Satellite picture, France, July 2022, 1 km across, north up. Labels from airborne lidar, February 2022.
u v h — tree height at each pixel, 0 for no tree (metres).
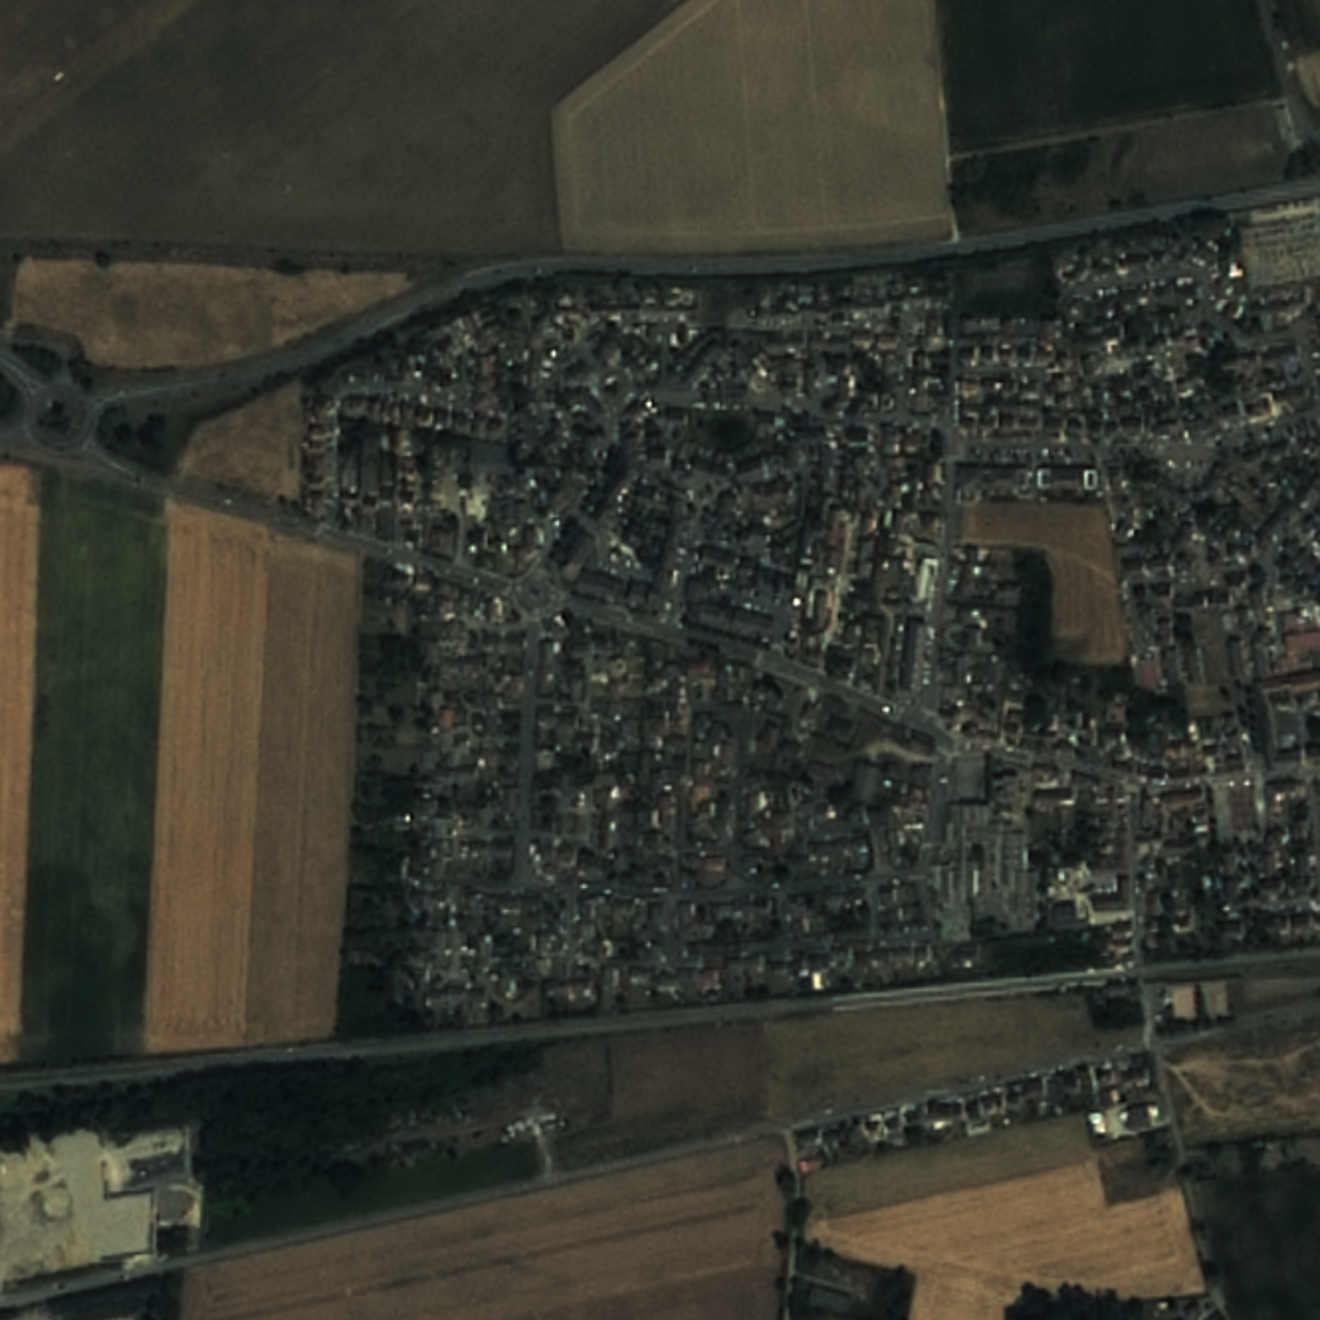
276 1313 0
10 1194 0
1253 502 16
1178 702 9
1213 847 9
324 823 0
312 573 0
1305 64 0
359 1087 6
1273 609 0
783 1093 0
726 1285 0
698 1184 0
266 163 0
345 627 0
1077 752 7
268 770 0
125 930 0
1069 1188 0
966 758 0
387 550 0
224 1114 8
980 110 0
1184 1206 0
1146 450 0
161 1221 9
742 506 0
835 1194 0
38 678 0
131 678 0
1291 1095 0
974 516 0
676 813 0
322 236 0
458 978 0
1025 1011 0
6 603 0
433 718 9
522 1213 0
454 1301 0
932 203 0
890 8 0
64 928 0
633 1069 0
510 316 7
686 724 0
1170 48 0
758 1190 0
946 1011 0
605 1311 0
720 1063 0
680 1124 0
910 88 0
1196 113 0
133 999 0
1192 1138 0
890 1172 0
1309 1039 0
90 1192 0
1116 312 6
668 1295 0
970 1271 0
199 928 0
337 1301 0
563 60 0
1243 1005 0
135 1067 0
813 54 0
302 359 0
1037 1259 0
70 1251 0
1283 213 0
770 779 6
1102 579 0
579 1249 0
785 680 0
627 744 0
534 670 0
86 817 0
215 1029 0
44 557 0
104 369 0
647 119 0
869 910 11
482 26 0
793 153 0
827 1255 15
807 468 0
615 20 0
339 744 0
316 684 0
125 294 0
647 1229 0
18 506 0
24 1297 0
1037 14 0
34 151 0
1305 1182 0
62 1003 0
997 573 0
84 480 0
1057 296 9
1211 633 0
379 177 0
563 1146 0
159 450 20
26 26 0
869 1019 0
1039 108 0
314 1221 0
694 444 0
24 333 0
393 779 7
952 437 0
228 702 0
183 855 0
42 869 0
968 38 0
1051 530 0
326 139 0
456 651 0
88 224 0
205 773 0
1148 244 0
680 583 0
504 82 0
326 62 0
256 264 0
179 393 0
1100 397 6
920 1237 0
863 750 0
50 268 0
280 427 0
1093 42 0
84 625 0
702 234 0
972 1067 0
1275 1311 0
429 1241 0
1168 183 0
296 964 0
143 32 0
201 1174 15
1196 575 0
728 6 0
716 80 0
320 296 0
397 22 0
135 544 0
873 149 0
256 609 0
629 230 0
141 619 0
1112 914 0
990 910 0
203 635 0
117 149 0
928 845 0
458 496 0
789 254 0
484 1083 14
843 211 0
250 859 0
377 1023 5
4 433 0
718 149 0
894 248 0
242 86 0
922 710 0
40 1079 0
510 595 0
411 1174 0
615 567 0
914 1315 0
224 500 0
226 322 0
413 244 0
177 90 0
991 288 0
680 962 0
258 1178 13
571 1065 0
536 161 0
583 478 0
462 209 0
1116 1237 0
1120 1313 20
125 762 0
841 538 0
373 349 6
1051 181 0
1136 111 0
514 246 0
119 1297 8
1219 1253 0
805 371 0
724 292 0
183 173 0
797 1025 0
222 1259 0
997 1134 0
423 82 0
